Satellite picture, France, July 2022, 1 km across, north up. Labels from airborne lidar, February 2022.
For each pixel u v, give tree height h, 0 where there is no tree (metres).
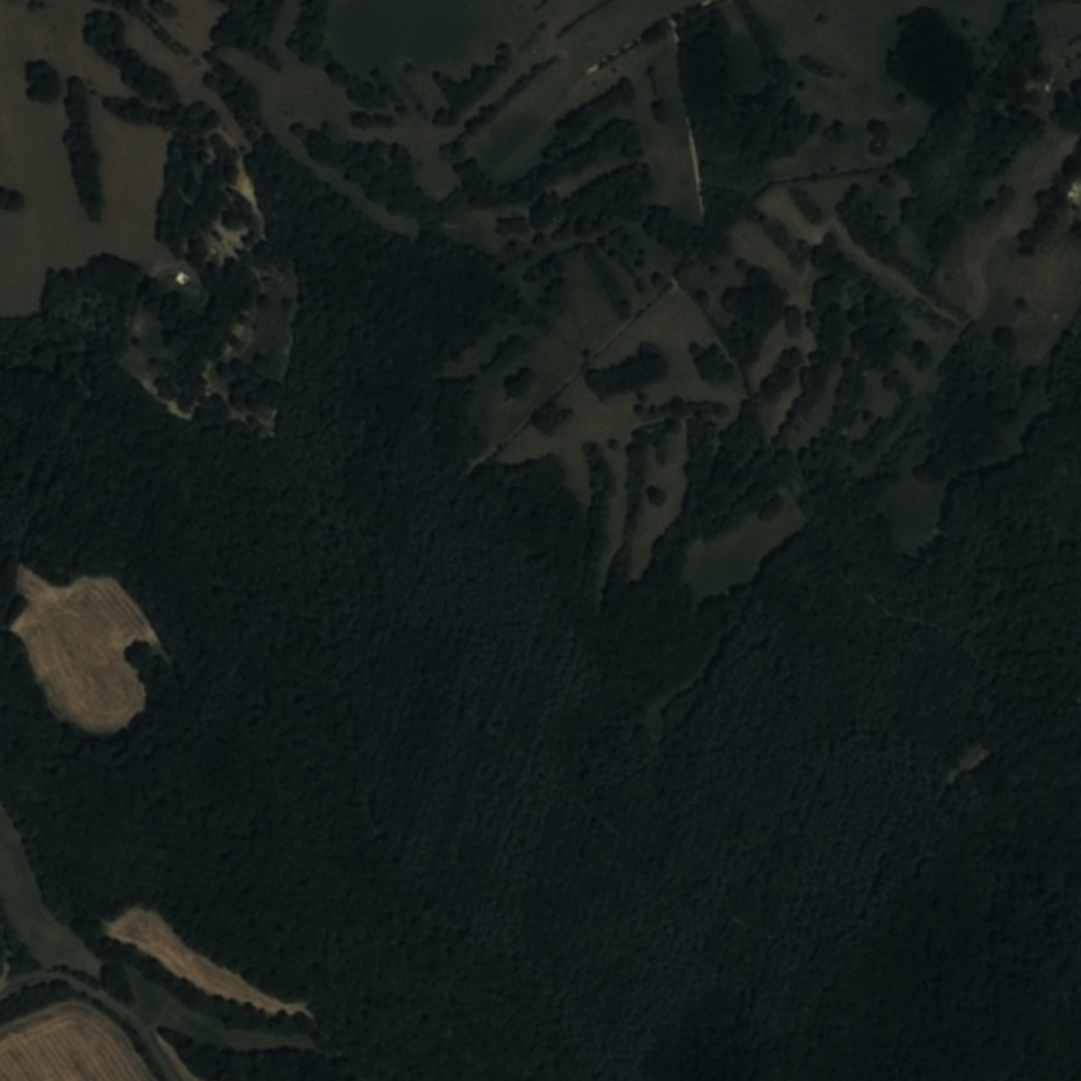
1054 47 0
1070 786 12
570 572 15
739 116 13
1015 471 18
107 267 19
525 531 15
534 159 0
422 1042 17
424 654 13
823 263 18
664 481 0
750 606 14
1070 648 14
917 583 13
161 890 13
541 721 14
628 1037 17
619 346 0
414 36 0
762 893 9
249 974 16
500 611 17
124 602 0
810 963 15
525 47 0
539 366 0
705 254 14
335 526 12
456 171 10
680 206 0
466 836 15
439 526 13
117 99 6
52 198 0
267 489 15
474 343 14
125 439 19
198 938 18
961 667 11
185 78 0
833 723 11
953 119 15
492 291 15
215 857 17
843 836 20
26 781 16
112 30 9
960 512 18
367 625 12
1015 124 15
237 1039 0
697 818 18
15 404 17
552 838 13
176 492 17
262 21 14
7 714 19
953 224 19
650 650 17
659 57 0
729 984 10
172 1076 0
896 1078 26
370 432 16
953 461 18
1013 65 0
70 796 18
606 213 12
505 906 15
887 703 7
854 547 7
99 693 0
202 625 21
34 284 0
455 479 16
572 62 0
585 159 12
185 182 9
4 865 0
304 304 13
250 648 23
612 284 9
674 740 7
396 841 14
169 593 17
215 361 10
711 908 17
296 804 17
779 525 0
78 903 12
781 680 16
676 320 0
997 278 0
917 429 7
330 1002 18
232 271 17
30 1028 0
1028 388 16
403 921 13
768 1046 19
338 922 16
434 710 13
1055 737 16
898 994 24
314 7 13
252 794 18
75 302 7
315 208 14
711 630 15
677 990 18
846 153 0
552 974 12
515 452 0
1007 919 24
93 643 0
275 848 18
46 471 15
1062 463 6
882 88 0
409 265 12
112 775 22
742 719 18
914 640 10
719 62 20
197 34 0
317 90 0
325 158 15
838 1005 18
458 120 8
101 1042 0
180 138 12
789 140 13
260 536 14
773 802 21
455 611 15
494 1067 17
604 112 6
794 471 7
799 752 20
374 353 10
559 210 12
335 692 12
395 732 11
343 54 0
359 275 14
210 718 27
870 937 17
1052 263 0
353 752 16
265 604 21
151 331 0
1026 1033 6
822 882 19
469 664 16
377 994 17
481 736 10
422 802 15
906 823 17
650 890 18
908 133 0
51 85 17
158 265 0
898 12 0
